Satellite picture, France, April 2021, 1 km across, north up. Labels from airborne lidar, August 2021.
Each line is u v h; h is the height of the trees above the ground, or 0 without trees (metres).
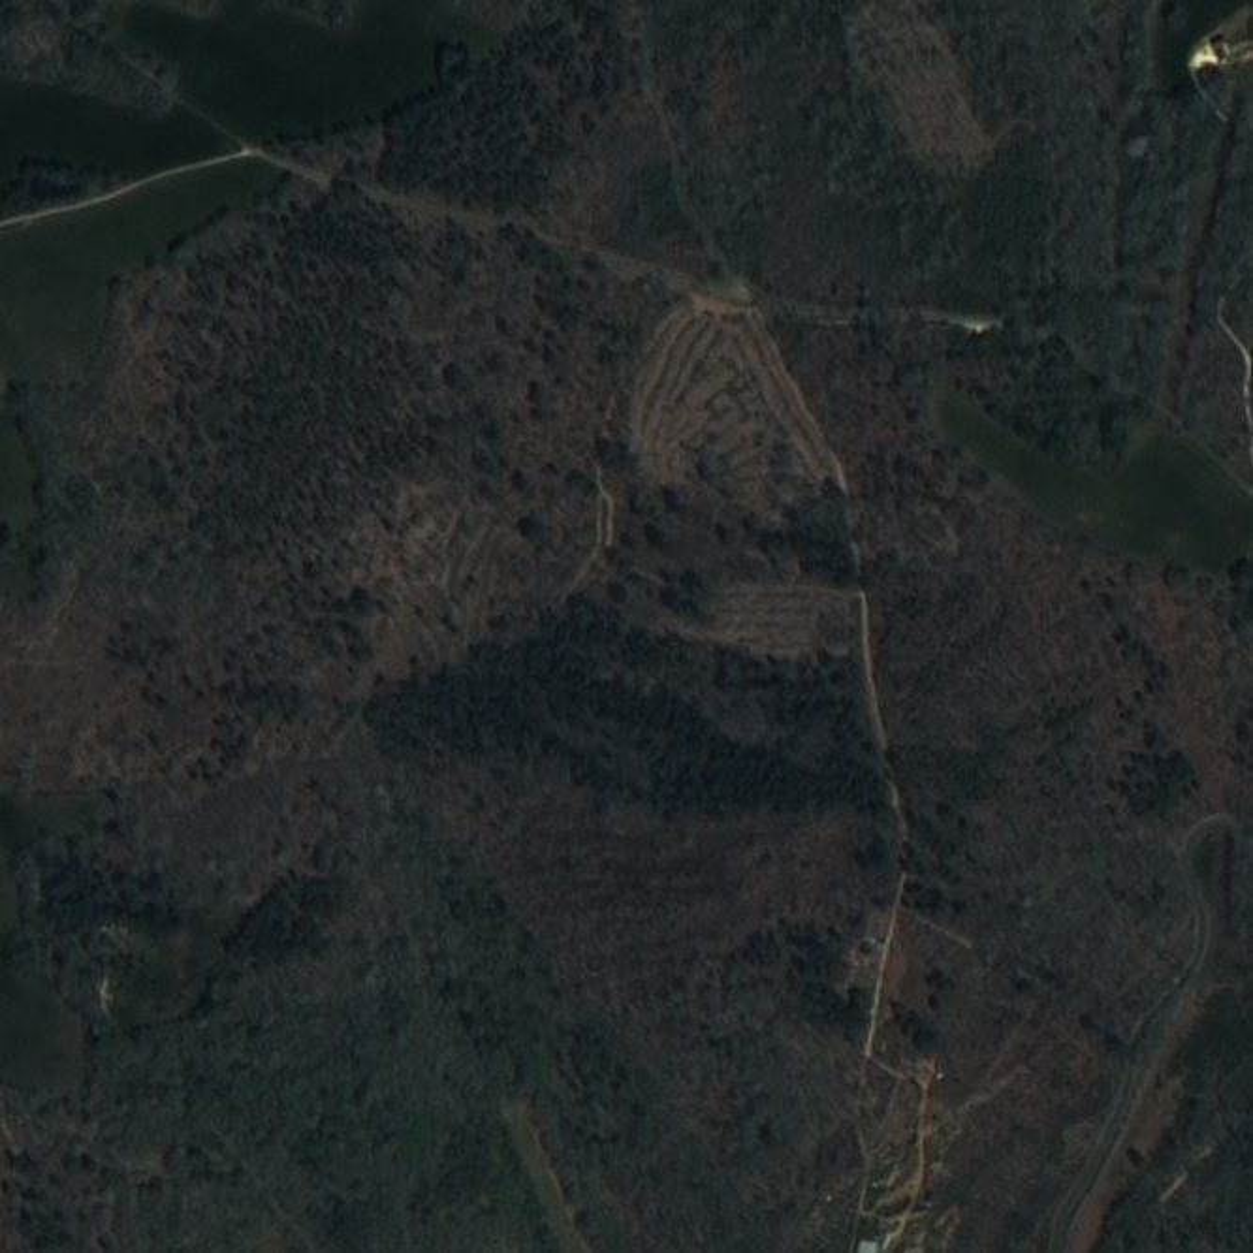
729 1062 15
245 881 11
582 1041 13
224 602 11
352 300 18
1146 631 8
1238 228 13
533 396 9
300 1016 20
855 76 24
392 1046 18
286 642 13
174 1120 19
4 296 0
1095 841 14
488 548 0
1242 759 11
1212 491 0
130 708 8
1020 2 18
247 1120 21
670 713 19
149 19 0
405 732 16
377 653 7
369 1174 21
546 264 19
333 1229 17
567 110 11
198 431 16
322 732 8
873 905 8
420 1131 20
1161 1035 20
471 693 14
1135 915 13
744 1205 16
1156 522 0
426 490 15
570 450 8
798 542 14
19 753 0
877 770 9
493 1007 13
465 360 13
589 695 18
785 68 13
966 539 12
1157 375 21
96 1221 14
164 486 9
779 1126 18
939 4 18
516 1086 13
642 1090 14
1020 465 0
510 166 15
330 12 13
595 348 8
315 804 6
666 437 0
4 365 0
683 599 25
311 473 12
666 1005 16
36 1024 0
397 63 0
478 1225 14
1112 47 9
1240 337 19
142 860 20
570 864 5
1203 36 0
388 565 9
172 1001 0
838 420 9
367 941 18
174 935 19
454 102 19
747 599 0
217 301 17
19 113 0
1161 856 13
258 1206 16
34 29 18
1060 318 20
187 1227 22
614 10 11
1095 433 19
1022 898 17
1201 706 7
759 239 9
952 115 15
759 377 0
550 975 13
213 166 0
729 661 15
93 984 18
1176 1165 10
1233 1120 11
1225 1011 5
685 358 0
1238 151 16
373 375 17
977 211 8
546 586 12
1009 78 17
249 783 10
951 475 7
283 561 11
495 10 15
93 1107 11
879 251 8
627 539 0
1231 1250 8
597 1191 11
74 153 0
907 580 6
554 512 16
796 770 13
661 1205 12
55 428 18
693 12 12
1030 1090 9
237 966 18
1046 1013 12
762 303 11
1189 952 10
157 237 0
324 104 0
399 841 19
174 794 15
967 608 6
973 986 8
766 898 6
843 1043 14
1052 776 7
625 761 12
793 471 21
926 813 11
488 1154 21
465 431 24
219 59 0
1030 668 8
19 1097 16
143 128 0
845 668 10
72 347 0
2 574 0
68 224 0
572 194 14
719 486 21
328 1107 24
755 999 17
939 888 11
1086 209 18
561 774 13
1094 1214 0
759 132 19
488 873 11
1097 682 8
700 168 16
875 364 7
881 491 12
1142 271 16
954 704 7
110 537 11
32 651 0
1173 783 17
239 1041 19
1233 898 19
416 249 18
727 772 20
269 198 9
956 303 7
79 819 0
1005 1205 11
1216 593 14
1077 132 17
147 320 16
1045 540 7
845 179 8
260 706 17
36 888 13
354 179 16
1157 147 25
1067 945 12
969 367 8
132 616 9
